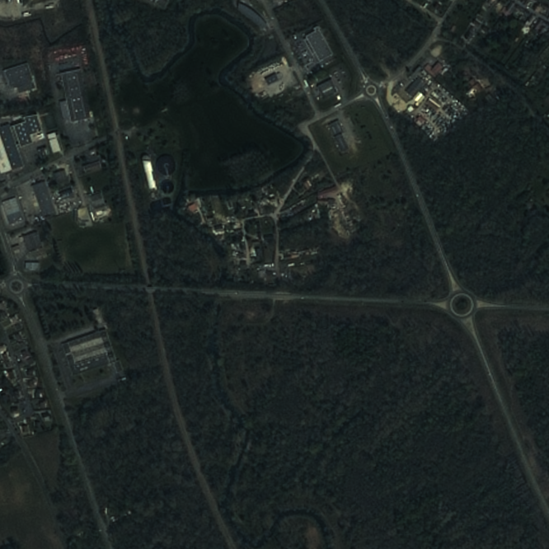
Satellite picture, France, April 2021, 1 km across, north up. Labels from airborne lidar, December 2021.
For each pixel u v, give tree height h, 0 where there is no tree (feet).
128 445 86
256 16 0
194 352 44
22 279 0
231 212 0
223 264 100
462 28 0
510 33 36
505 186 56
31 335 0
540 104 0
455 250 47
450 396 0
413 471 64
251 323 0
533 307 0
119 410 123
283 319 0
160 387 54
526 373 90
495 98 74
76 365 0
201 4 29
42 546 0
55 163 0
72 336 0
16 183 0
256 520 95
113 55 47
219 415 101
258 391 0
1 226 0
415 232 52
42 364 0
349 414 0
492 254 42
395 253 42
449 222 44
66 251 0
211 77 66
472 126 47
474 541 86
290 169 27
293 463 22
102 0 59
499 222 63
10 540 0
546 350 67
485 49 75
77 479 62
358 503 38
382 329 0
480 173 55
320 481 34
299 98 0
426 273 66
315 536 0
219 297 34
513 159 61
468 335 0
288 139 0
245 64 38
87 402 42
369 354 0
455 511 64
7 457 46
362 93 0
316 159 56
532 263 64
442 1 33
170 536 91
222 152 0
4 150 0
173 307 112
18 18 0
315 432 0
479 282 48
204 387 65
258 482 61
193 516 64
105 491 95
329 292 71
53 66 0
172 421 68
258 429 0
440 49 0
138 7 25
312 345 0
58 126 0
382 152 0
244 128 0
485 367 0
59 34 0
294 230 46
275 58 27
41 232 0
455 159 51
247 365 0
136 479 67
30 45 20
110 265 0
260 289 21
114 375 0
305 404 0
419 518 40
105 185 0
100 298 53
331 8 37
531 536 72
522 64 29
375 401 0
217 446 38
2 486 0
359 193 26
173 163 0
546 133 66
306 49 0
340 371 0
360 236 32
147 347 67
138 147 0
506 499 32
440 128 0
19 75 0
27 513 0
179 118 0
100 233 0
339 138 0
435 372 0
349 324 0
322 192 0
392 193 0
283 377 0
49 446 0
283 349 0
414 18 57
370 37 57
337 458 64
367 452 0
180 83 28
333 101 0
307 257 0
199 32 0
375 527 24
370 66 54
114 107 0
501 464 48
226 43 0
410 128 95
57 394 0
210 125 0
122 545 69
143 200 58
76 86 0
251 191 26
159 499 98
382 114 0
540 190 0
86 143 0
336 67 0
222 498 33
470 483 29
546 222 50
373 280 52
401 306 0
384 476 55
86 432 65
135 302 73
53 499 27
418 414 0
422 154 46
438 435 0
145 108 0
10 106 60
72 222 0
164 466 87
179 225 59
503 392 0
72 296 47
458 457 52
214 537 77
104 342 0
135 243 25
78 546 78
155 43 96
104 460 81
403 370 0
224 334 0
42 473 0
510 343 67
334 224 0
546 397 27
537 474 0
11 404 18
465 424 0
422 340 0
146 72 102
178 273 65
